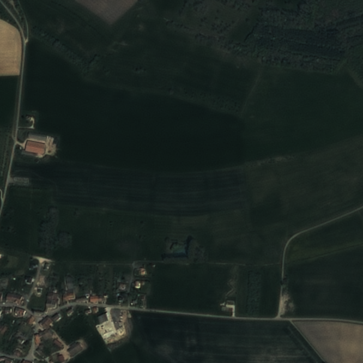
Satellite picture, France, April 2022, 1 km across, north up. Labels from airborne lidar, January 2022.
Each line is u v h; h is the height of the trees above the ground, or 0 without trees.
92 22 0
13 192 0
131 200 0
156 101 0
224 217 0
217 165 0
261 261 0
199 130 0
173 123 0
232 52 11
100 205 0
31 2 0
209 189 0
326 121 0
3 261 0
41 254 0
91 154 0
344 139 0
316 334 0
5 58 0
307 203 0
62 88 0
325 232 0
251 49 15
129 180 0
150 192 0
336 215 0
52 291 0
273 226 0
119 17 0
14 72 0
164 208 0
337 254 0
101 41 0
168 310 0
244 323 0
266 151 0
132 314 0
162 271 0
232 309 0
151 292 0
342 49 14
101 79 0
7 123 0
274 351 0
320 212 0
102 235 0
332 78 0
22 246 0
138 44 0
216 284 0
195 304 0
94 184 0
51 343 0
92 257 0
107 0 0
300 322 0
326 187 0
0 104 0
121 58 0
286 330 0
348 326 0
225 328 0
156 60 0
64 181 0
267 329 0
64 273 0
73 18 0
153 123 0
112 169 0
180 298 0
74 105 0
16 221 0
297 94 0
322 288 0
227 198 0
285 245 0
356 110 0
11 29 0
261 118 0
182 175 0
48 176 0
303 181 0
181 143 0
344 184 0
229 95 0
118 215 0
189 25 0
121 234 0
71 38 0
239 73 0
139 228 0
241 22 0
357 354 0
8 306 0
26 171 0
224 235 0
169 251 0
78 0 0
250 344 0
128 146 0
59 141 0
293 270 0
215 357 0
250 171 0
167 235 0
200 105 0
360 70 8
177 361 0
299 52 15
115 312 0
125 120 0
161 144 0
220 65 0
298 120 0
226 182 0
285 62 15
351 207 0
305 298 0
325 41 16
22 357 0
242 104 0
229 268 0
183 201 0
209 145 0
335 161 0
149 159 0
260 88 0
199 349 0
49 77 0
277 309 0
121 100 0
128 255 0
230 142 0
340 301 0
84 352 0
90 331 0
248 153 0
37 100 0
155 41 0
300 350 0
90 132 0
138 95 0
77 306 0
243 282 0
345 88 0
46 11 0
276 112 0
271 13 22
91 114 0
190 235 0
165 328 0
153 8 0
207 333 0
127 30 0
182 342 0
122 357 0
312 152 0
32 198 0
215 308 0
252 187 0
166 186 0
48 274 0
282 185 0
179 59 0
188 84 0
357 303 0
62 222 0
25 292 0
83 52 0
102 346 0
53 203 0
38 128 0
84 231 0
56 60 0
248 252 0
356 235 0
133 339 0
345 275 0
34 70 0
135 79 0
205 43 17
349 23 13
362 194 0
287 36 15
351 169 0
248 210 0
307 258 0
